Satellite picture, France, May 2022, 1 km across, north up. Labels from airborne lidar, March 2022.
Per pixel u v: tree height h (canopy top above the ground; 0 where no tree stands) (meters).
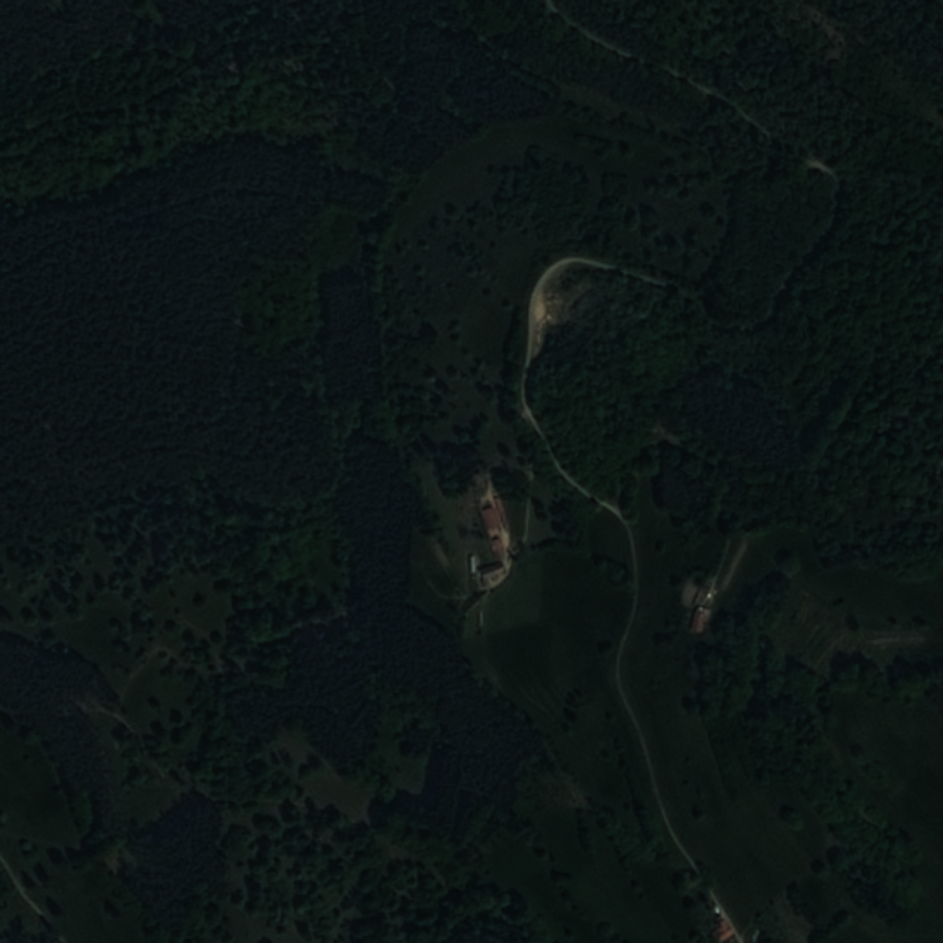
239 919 0
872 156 10
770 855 0
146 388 33
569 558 0
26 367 30
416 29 34
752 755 11
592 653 0
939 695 23
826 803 23
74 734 27
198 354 25
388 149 28
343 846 7
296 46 31
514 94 33
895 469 17
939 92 17
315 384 26
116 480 27
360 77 19
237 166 20
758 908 0
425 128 34
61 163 25
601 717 0
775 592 22
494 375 0
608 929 11
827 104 28
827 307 10
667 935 0
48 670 29
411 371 6
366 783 26
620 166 0
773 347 14
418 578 0
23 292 28
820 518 17
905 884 24
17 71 22
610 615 0
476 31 12
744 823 0
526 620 0
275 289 17
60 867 23
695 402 31
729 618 13
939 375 14
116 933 0
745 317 15
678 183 14
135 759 9
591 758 0
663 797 0
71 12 34
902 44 22
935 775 0
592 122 13
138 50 16
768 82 31
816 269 17
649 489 0
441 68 34
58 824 0
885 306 21
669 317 10
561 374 10
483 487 0
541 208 7
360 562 30
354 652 32
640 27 21
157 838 33
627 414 7
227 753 16
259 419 30
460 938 29
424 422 11
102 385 30
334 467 19
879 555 17
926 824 0
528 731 30
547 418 11
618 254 10
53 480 29
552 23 21
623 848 20
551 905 0
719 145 28
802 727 21
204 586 0
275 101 24
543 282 0
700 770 0
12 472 32
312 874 8
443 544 19
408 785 0
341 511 29
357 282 34
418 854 20
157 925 21
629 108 19
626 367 12
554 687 0
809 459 23
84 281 28
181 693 0
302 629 33
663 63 15
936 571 14
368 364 34
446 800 29
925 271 16
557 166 7
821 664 0
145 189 22
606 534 0
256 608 9
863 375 18
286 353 28
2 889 8
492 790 32
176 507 34
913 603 0
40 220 30
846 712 0
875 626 0
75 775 25
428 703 25
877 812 12
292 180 20
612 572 22
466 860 25
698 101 18
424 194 0
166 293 14
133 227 29
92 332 27
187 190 17
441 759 25
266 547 17
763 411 35
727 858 0
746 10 8
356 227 0
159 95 16
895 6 26
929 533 9
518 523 0
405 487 30
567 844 0
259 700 30
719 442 29
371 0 19
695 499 22
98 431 29
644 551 0
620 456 20
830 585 0
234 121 22
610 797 0
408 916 18
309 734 24
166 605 0
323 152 19
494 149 0
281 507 25
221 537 21
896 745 0
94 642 0
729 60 14
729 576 0
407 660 29
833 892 0
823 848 0
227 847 16
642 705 0
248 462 26
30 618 16
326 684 29
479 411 0
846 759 0
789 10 6
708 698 22
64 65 12
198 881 33
